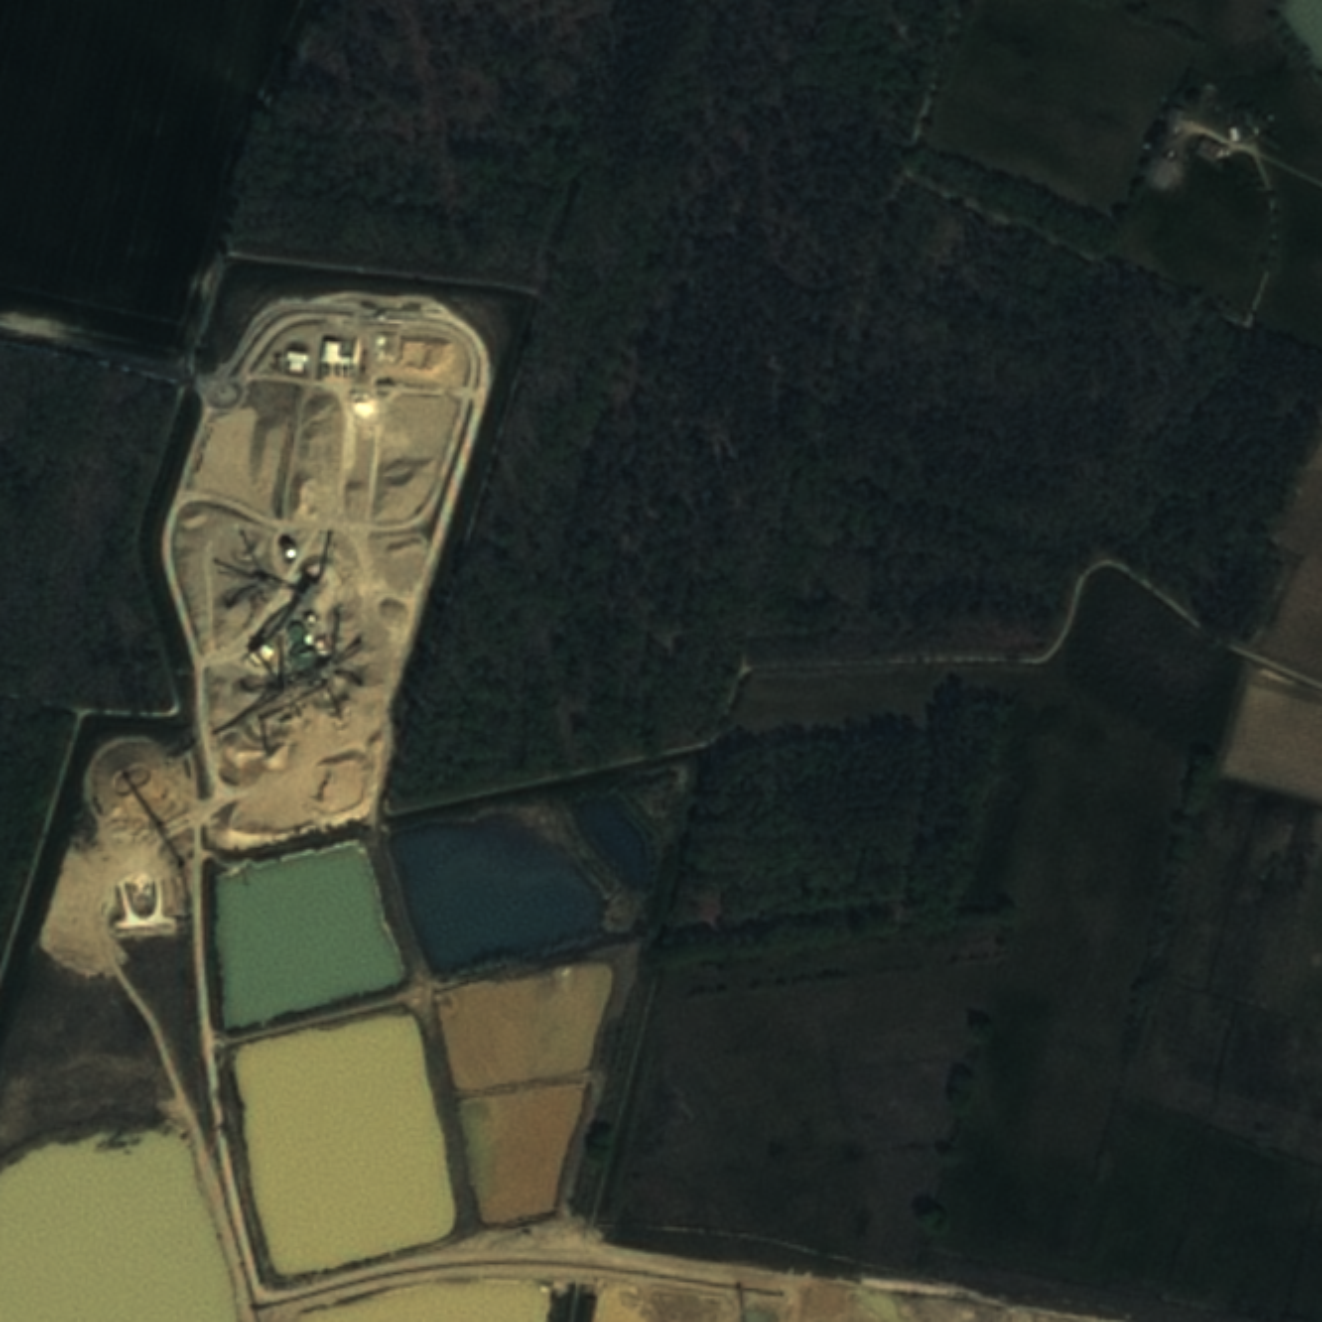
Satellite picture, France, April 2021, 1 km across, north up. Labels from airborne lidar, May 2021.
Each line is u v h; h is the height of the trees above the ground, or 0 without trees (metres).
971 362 17
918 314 13
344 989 0
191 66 0
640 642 18
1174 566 17
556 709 21
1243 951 0
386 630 0
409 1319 0
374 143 17
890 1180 0
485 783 14
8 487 14
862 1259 0
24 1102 0
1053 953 0
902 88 16
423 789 20
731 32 23
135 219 0
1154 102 0
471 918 0
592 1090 0
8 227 0
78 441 19
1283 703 0
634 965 0
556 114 18
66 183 0
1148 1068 0
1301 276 0
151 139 0
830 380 19
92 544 18
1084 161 0
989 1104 0
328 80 18
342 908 0
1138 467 19
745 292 17
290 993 0
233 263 15
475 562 25
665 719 17
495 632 25
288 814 0
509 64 16
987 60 0
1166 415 20
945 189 12
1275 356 14
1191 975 0
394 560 0
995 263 13
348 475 0
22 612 21
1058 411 16
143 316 0
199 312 0
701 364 20
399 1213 0
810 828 19
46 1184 0
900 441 16
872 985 0
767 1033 0
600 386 19
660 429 21
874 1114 0
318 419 0
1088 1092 0
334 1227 0
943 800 28
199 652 0
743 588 18
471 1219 0
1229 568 18
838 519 19
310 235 20
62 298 0
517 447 17
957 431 23
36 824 21
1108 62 0
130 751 0
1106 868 0
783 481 17
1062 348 23
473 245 22
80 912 0
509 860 0
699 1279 0
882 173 17
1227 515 20
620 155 22
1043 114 0
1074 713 0
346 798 0
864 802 26
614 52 19
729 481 24
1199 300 7
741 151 11
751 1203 0
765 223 15
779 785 22
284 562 0
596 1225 0
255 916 0
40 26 0
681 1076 0
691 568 23
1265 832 0
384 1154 0
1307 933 0
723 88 20
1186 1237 0
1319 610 0
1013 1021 0
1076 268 12
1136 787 0
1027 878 0
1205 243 0
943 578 16
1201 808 10
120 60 0
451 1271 0
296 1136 0
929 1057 0
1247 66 0
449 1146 0
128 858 0
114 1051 0
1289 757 0
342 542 0
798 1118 0
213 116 0
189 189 0
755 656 13
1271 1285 0
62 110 0
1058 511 23
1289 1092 0
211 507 0
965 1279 0
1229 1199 0
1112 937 0
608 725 16
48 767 20
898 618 21
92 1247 0
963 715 26
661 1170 0
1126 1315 0
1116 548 20
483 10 8
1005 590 23
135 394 12
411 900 0
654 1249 0
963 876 16
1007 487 22
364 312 0
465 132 11
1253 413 23
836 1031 0
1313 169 0
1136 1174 0
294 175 19
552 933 0
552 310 18
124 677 17
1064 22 0
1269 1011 0
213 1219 0
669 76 21
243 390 0
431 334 0
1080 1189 0
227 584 0
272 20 0
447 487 0
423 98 12
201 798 0
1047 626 20
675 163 24
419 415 0
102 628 20
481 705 20
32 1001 0
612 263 16
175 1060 0
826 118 20
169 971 0
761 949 16
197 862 0
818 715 0
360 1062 0
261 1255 0
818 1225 0
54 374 16
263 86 0
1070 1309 0
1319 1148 0
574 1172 0
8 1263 0
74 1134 0
